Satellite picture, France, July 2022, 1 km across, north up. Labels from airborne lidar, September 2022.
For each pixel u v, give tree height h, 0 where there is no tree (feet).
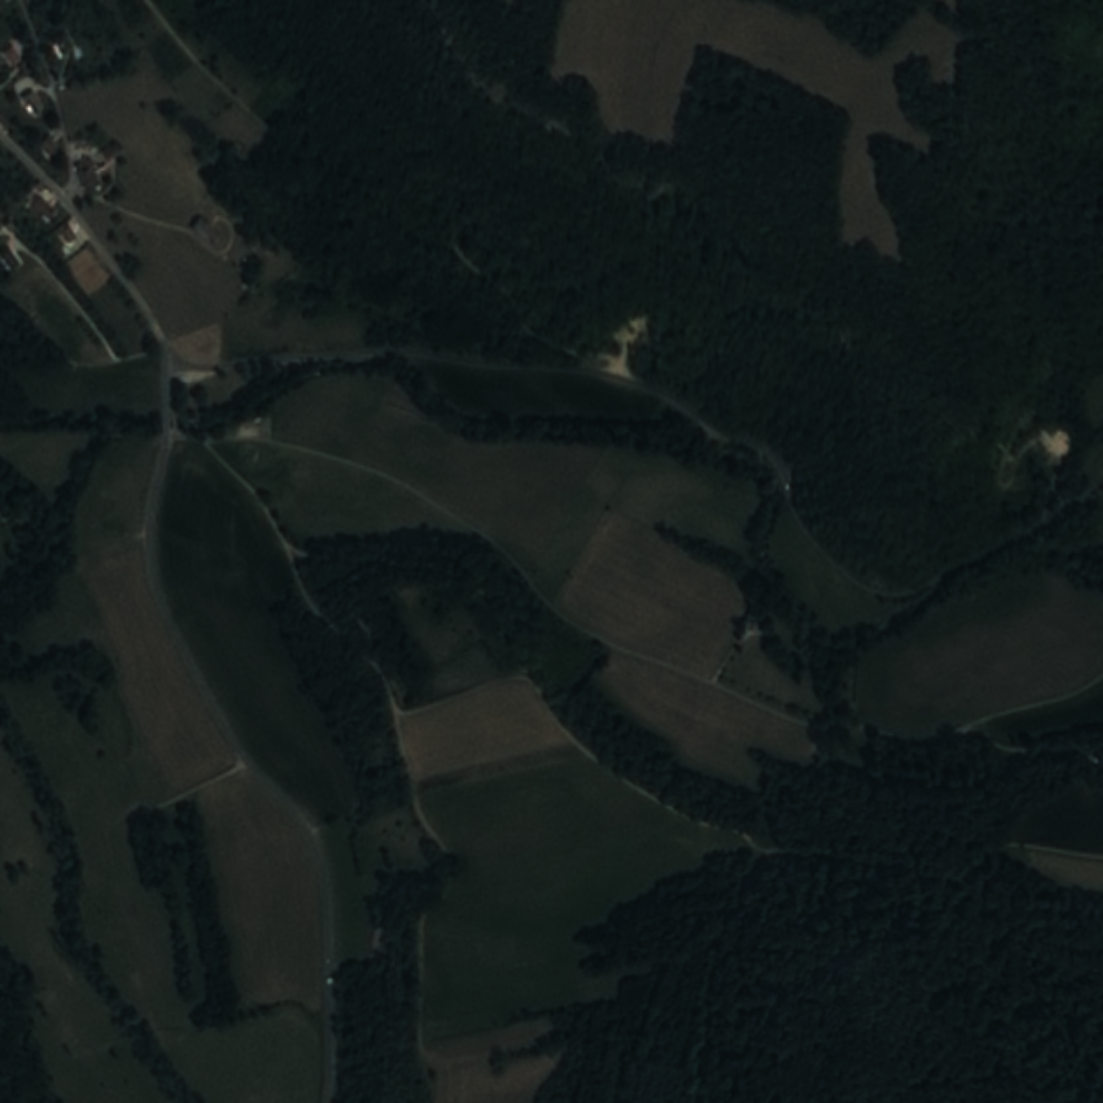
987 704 0
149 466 0
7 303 73
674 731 0
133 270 39
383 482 0
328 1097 0
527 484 0
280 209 76
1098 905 71
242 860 0
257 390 48
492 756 0
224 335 0
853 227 0
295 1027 0
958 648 0
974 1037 74
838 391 63
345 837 0
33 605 87
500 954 0
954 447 57
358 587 61
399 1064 23
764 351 64
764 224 51
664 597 0
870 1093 62
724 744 0
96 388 0
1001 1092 100
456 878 48
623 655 0
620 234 62
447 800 0
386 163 67
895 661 0
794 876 82
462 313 64
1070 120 45
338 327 0
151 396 0
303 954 0
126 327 0
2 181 40
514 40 51
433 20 29
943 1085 73
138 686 0
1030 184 80
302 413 0
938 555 75
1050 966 68
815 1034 70
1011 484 0
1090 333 51
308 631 51
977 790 84
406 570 63
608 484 0
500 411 0
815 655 79
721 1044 31
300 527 0
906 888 80
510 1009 0
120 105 0
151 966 0
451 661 0
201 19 20
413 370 44
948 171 62
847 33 65
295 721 0
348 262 65
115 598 0
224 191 60
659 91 0
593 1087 30
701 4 0
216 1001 48
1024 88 73
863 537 54
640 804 0
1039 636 0
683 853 0
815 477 60
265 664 0
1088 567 63
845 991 55
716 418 44
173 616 0
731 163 51
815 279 65
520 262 63
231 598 0
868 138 0
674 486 0
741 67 53
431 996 0
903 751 81
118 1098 0
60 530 55
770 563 22
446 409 108
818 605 0
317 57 64
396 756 32
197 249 0
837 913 104
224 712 0
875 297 69
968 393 54
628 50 0
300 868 0
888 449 66
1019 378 67
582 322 56
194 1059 0
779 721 0
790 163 61
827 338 39
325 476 0
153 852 58
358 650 51
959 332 57
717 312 53
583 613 0
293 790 0
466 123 36
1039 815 0
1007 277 94
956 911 96
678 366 40
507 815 0
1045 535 43
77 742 0
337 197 60
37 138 49
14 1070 41
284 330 0
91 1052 0
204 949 48
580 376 0
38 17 36
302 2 64
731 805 61
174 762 0
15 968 98
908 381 38
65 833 49
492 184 64
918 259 46
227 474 0
